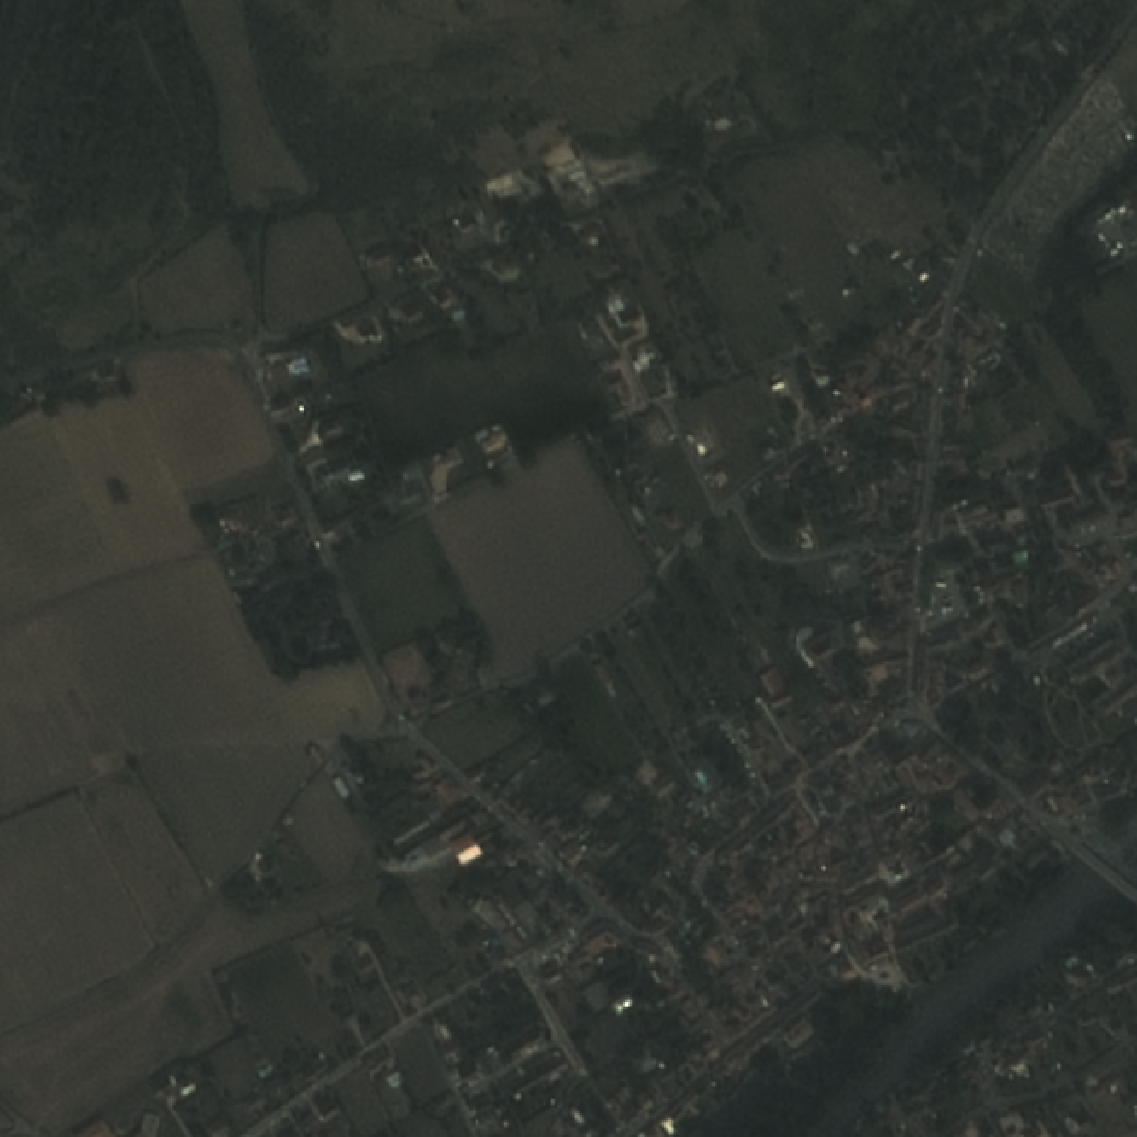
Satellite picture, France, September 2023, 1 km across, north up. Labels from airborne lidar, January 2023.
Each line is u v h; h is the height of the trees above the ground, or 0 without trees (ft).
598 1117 41
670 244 21
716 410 0
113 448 0
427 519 0
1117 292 0
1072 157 0
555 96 0
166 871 0
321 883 0
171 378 0
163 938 0
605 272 0
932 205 0
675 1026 21
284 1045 0
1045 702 0
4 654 0
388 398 0
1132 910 53
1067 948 20
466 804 20
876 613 44
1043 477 33
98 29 27
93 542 0
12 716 0
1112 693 0
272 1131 0
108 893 0
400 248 22
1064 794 0
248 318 0
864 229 0
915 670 0
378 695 0
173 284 0
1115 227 0
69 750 0
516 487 0
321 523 19
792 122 0
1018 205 0
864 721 0
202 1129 29
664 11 0
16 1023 0
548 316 21
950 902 32
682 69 0
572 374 0
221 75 0
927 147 22
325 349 30
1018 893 29
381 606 0
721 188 36
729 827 0
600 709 0
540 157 0
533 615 0
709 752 45
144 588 0
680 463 0
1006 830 0
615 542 0
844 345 32
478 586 0
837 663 28
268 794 0
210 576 0
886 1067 0
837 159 0
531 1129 0
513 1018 22
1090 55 27
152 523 0
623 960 28
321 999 20
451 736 0
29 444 0
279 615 31
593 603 0
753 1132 83
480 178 17
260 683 0
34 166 36
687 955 43
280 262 0
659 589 43
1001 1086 26
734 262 0
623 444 47
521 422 0
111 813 0
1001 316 0
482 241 0
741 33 0
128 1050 0
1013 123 53
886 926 0
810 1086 51
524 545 0
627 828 0
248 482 0
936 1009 0
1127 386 0
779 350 0
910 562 0
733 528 0
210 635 0
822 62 19
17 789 0
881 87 21
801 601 24
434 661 51
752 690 0
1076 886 0
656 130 35
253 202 0
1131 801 39
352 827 0
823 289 0
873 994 46
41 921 0
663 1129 0
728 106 0
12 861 0
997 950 0
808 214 0
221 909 0
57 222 19
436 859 0
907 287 0
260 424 0
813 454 39
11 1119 0
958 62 28
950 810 31
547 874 0
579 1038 22
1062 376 0
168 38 31
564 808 39
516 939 0
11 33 54
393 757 0
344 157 33
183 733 0
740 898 0
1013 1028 0
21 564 0
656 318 33
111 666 0
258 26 43
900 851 0
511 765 0
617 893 30
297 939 0
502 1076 0
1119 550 0
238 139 0
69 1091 0
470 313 31
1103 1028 0
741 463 0
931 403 0
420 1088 0
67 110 37
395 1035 0
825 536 0
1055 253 0
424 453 0
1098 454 35
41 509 0
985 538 41
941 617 0
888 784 26
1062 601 18
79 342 0
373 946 22
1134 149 0
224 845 0
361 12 0
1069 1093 29
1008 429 0
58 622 0
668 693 0
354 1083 0
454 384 0
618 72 0
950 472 20
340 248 0
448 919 0
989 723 0
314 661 31
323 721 0
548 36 0
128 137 41
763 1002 0
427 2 0
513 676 0
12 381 26
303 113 30
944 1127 26
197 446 0
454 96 0
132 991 0
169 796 0
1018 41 28
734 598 0
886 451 30
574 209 0
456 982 0
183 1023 0
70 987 0
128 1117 0
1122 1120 0
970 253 0
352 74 0
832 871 0
